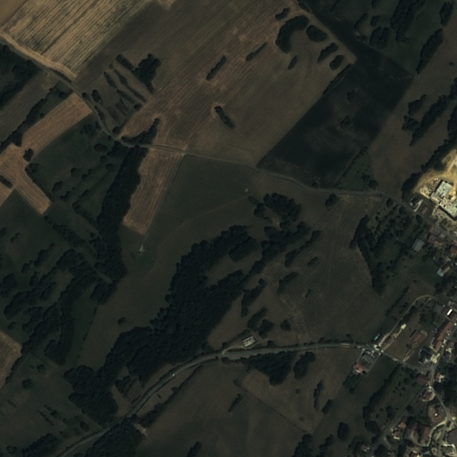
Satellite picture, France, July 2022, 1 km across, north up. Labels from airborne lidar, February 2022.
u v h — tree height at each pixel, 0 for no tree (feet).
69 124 0
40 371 40
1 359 0
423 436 0
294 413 0
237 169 0
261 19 0
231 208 0
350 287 0
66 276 0
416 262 0
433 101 0
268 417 0
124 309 0
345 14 0
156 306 0
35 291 41
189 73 0
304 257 0
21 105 0
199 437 0
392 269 29
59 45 0
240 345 0
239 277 52
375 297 0
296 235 29
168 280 0
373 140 0
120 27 0
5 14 0
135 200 0
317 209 0
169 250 0
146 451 0
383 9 0
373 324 0
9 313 51
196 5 0
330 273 0
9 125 0
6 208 0
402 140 0
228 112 0
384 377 0
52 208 0
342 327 0
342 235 0
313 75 0
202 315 67
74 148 0
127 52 0
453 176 0
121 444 55
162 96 0
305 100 0
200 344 45
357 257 0
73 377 30
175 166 0
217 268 0
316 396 38
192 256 54
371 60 0
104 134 0
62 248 0
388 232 26
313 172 0
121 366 42
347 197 0
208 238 0
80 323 0
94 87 0
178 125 0
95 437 0
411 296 0
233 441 0
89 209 0
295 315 0
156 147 0
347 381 19
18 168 0
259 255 0
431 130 0
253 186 0
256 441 0
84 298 0
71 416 0
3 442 0
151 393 0
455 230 0
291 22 37
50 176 0
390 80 0
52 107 0
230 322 0
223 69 0
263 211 49
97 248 52
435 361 0
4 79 0
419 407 0
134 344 60
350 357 0
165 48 0
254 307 0
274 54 0
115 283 27
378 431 38
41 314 42
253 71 0
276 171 0
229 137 0
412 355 0
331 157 0
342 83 0
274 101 0
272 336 0
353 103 0
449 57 0
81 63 0
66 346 45
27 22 0
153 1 0
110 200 53
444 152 28
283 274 0
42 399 0
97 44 0
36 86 0
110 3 0
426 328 0
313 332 0
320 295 0
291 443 0
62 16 0
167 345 86
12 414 0
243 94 0
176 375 0
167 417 0
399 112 0
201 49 0
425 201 0
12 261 0
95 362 0
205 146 0
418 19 0
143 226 0
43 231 0
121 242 51
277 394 0
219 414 0
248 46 0
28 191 0
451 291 23
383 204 0
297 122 0
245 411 0
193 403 0
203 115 0
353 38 0
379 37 37
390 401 0
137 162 68
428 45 42
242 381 0
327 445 31
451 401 53
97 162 0
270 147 0
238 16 0
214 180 0
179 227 0
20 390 0
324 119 0
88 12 0
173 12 0
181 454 0
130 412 0
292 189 0
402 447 44
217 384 0
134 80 0
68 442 0
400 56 0
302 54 0
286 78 0
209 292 66
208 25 0
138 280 0
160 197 0
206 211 0
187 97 0
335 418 0
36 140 0
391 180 0
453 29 0
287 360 27
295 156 0
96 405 78
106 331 0
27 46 0
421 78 0
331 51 30
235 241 50
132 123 0
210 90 0
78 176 0
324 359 0
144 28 0
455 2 0
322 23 0
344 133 0
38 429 0
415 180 53
